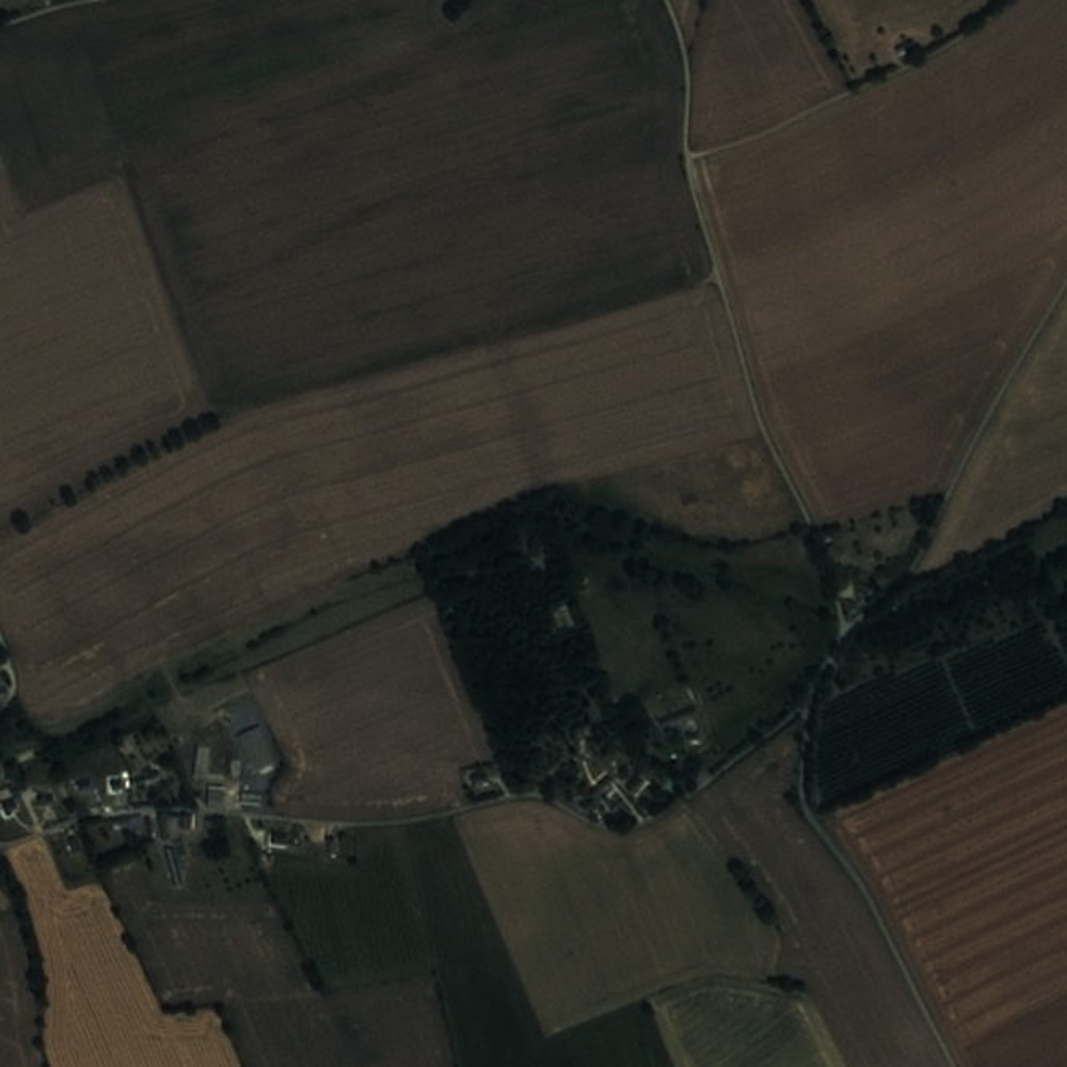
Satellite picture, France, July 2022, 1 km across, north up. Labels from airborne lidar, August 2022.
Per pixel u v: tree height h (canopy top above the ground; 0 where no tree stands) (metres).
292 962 0
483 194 0
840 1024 0
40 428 0
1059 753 0
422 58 0
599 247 0
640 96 0
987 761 0
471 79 0
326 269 0
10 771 9
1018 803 0
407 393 0
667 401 0
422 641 0
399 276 0
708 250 0
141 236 0
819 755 9
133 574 0
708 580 0
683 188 0
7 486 0
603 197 0
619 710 11
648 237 0
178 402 0
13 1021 0
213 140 0
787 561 0
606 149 0
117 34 0
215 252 0
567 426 0
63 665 0
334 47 0
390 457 0
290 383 0
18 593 0
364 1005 0
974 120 0
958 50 0
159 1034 0
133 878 0
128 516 0
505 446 0
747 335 0
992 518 0
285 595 0
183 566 0
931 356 0
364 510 0
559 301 0
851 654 14
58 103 0
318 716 0
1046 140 0
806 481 0
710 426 0
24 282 0
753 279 0
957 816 0
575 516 11
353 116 0
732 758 6
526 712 16
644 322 0
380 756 0
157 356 0
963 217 0
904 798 0
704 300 0
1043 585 31
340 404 0
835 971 0
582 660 14
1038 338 0
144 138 0
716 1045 0
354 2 0
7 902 0
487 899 0
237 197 0
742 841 0
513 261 0
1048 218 0
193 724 0
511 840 0
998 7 13
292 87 0
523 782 21
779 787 0
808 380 0
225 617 0
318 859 0
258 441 0
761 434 0
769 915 24
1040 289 0
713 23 0
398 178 0
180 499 0
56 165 0
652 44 0
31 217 0
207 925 0
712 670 0
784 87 0
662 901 0
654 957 0
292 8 0
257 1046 0
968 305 0
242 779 0
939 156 0
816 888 0
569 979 0
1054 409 0
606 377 0
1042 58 0
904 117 0
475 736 0
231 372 0
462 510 0
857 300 0
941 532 0
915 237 0
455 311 0
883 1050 0
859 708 6
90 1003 0
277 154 0
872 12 0
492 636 14
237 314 0
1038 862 0
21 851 0
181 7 0
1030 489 0
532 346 0
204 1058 0
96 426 0
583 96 0
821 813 11
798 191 0
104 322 0
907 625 30
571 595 8
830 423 0
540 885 0
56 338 0
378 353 0
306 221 0
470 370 0
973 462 0
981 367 0
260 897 0
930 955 0
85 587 0
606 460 0
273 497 0
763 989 0
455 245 0
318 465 0
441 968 0
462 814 0
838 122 0
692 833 0
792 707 6
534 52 0
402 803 0
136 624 0
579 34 0
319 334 0
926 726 6
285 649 0
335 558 0
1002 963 0
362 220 0
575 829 0
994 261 0
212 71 0
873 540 0
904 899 0
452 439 0
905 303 0
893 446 0
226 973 0
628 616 0
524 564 14
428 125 0
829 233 0
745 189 0
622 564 0
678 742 14
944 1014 0
